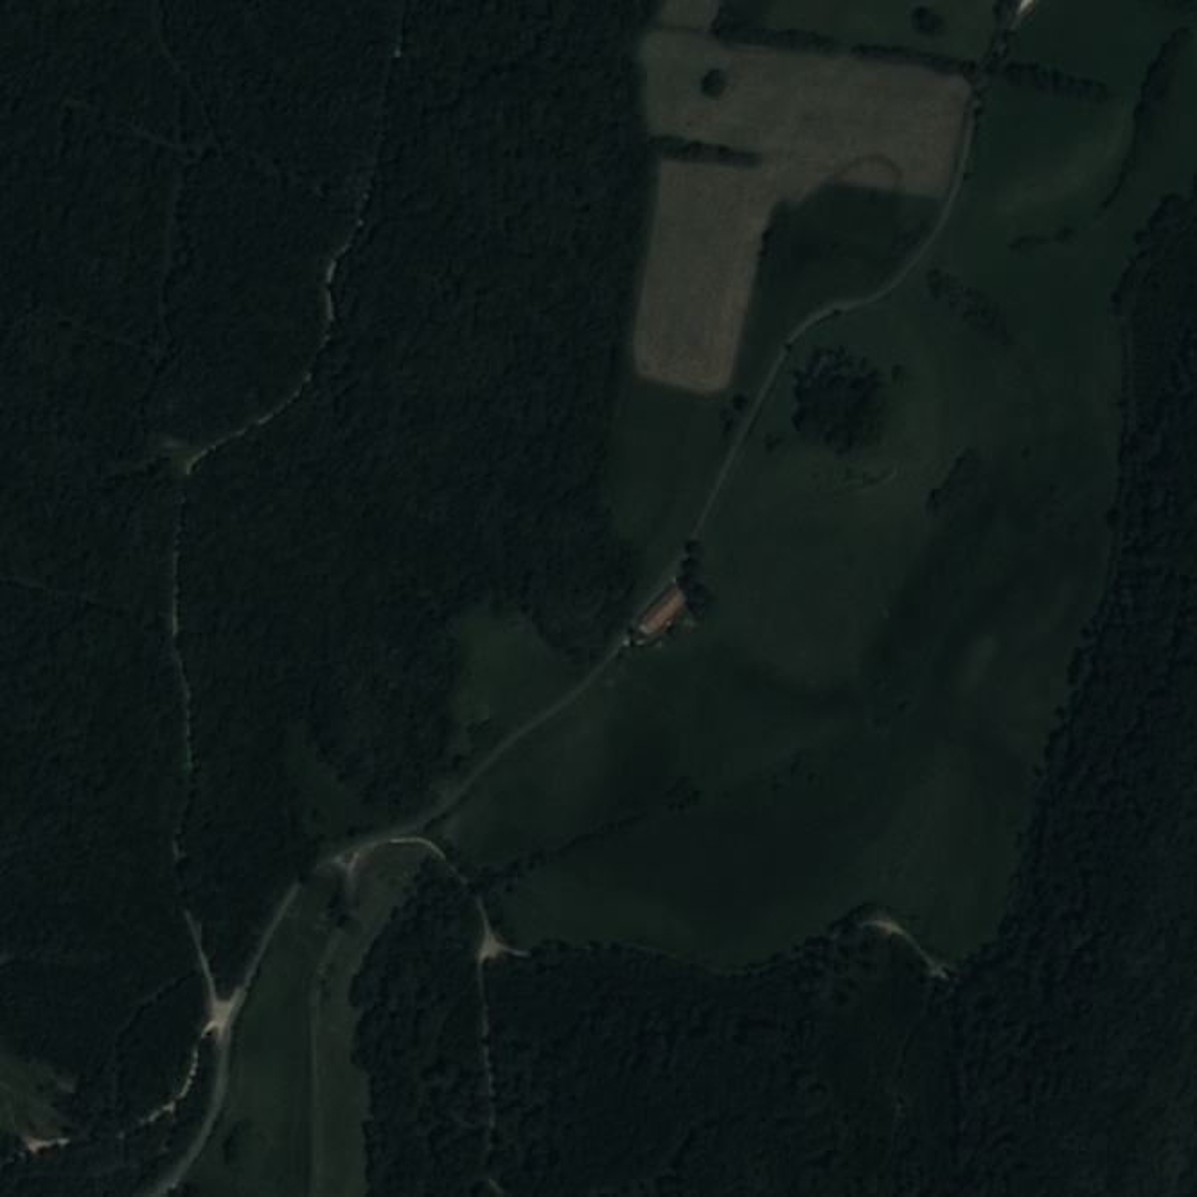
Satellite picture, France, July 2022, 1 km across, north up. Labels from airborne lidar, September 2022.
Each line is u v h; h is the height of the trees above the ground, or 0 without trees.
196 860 20
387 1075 24
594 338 15
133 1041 12
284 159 14
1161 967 10
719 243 0
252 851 21
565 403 16
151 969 11
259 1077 0
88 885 9
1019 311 0
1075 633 0
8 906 11
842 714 0
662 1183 21
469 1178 24
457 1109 22
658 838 0
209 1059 8
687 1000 12
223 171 14
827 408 21
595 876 0
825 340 0
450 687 7
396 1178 22
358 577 17
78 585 13
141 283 13
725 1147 24
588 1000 13
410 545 16
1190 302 6
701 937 0
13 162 18
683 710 0
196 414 17
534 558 15
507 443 14
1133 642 25
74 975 9
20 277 18
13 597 15
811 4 0
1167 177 0
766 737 0
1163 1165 6
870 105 0
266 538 13
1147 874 10
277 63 13
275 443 13
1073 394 0
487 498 11
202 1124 12
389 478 14
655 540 0
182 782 23
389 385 17
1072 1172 14
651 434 0
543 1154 21
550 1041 7
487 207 16
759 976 8
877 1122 6
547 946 11
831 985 27
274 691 21
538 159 22
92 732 18
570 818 0
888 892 0
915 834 0
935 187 0
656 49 0
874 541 0
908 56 8
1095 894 30
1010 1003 24
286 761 17
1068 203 0
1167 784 17
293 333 9
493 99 16
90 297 15
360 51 21
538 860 13
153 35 13
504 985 8
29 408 16
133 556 18
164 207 11
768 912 0
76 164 10
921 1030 7
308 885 15
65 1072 14
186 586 18
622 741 0
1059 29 0
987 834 0
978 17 0
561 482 17
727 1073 20
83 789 19
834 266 0
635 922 0
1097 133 0
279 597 15
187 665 11
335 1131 0
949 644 0
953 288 19
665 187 0
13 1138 16
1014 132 0
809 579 0
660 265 0
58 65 19
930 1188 7
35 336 17
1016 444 0
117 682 16
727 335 0
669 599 0
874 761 0
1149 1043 18
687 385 0
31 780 18
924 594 0
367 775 9
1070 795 28
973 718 0
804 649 0
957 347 0
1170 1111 9
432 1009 21
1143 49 0
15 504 17
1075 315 0
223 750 15
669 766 0
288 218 9
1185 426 24
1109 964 14
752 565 0
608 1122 22
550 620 8
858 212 0
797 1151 31
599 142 20
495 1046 20
